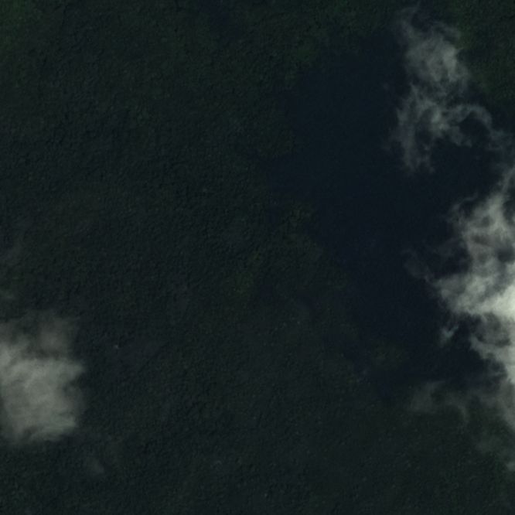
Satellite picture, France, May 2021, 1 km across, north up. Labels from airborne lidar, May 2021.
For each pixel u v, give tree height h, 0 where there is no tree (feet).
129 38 41
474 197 50
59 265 38
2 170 28
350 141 33
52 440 71
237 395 20
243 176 24
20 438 72
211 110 28
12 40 38
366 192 38
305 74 47
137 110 47
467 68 60
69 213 39
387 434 27
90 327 18
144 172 33
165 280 37
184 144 35
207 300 24
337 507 34
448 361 28
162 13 48
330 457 18
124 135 70
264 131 39
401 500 30
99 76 22
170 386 33
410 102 49
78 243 23
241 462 32
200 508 24
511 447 26
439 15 35
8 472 49
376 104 34
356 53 60
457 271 50
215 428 46
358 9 48
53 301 31
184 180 43
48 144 81
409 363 25
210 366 28
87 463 20
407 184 32
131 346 31
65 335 28
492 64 54
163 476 34
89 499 32
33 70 74
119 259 38
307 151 37
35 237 31
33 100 36
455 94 52
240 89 51
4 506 50
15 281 47
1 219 30
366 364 19
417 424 19
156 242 24
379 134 34
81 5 67
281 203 36
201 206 45
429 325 29
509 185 53
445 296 50
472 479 24
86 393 33
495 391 24
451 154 40
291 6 48
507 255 43
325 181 31
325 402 19
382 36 21
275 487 36
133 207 23
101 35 41
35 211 22
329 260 34
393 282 31
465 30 46
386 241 34
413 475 32
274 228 52
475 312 53
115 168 33
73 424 23
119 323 37
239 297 26
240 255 46
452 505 38
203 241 36
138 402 23
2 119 32
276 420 20
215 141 17
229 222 29
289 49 59
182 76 38
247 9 62
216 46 52
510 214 58
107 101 28
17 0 68
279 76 51
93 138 42
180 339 30
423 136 35
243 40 53
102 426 34
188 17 65
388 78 41
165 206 37
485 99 39
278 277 24
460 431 26
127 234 28
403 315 26
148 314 29
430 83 34
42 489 73
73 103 34
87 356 27
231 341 23
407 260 28
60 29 66
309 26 41
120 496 42
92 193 21
